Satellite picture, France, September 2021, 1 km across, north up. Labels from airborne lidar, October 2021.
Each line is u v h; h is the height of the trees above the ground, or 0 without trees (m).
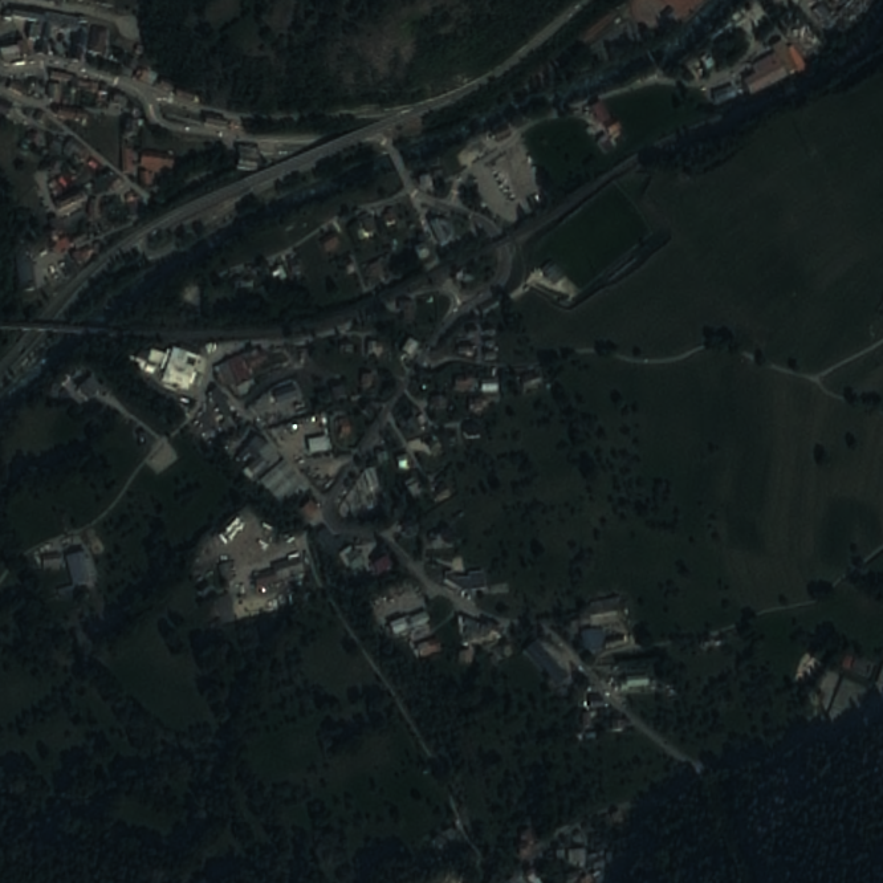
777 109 18
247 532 0
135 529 6
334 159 10
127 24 0
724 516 0
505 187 0
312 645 9
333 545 0
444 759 7
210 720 0
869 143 0
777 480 0
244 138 0
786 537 0
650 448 0
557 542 0
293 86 22
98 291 15
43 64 0
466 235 0
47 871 30
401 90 16
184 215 0
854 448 13
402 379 0
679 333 0
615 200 0
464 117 8
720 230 0
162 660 0
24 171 11
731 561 0
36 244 16
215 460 18
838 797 27
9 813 25
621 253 0
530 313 0
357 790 0
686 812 23
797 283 0
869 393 0
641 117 0
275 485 0
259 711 15
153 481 0
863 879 31
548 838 18
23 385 0
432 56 17
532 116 16
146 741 24
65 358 21
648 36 16
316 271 0
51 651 10
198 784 14
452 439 7
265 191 0
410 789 0
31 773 21
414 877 19
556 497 0
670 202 0
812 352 0
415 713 15
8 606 16
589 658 14
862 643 0
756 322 0
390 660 13
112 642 22
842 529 0
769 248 0
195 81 6
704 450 0
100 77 0
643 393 0
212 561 0
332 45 11
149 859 28
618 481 8
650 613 0
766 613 0
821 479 0
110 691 24
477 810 0
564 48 17
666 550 0
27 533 0
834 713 0
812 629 0
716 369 0
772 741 7
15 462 0
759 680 7
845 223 0
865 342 0
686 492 0
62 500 0
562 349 0
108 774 0
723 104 7
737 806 21
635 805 7
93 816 8
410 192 0
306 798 8
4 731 7
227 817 22
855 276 0
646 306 0
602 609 0
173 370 0
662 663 18
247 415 0
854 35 8
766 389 0
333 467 0
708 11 0
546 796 17
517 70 18
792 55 0
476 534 0
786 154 0
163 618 0
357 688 0
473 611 0
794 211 0
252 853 17
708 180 0
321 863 8
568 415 14
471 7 6
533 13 25
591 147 0
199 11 12
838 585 0
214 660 25
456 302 0
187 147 0
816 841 26
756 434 0
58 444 0
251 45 0
